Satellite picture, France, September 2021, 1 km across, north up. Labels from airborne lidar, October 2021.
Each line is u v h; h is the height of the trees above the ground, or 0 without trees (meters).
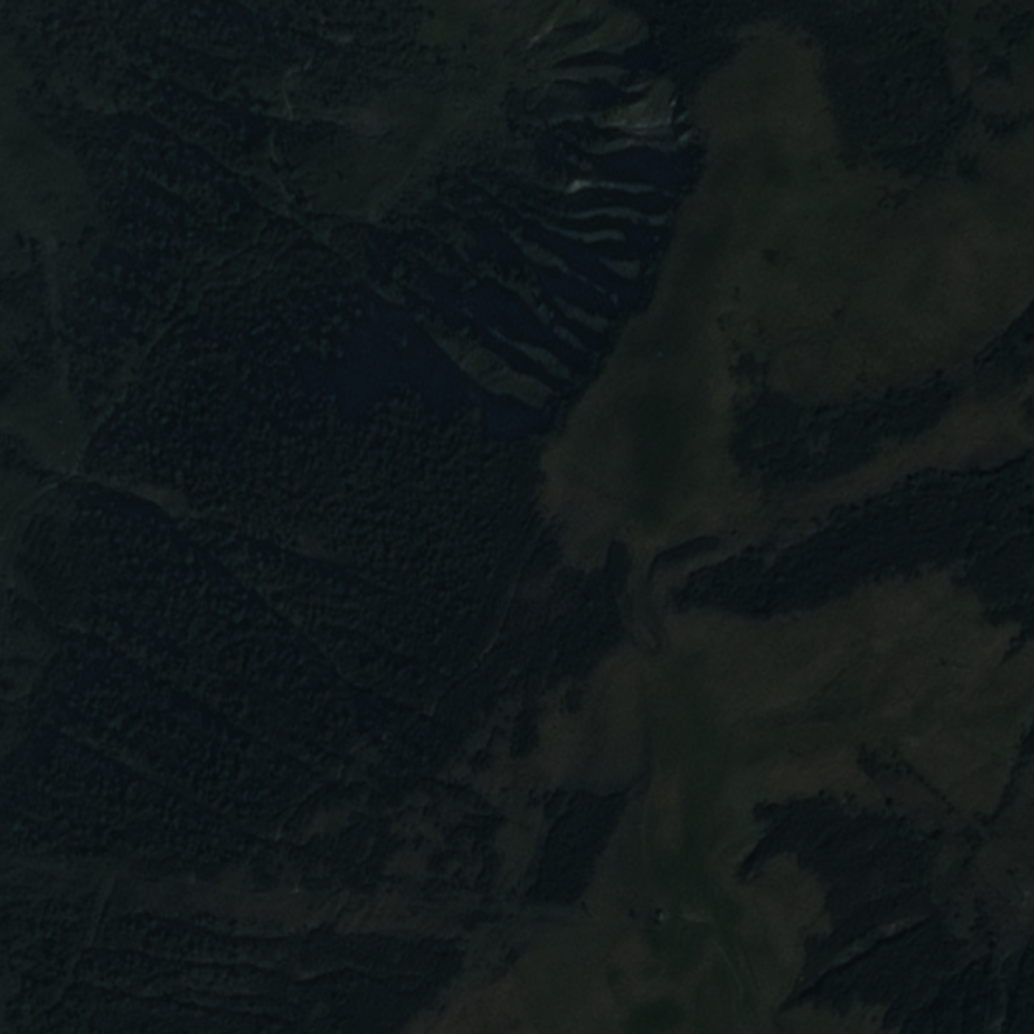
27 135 0
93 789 6
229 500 7
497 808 0
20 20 0
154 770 8
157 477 9
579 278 0
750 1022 0
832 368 0
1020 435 0
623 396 0
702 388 0
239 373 9
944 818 0
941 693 0
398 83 0
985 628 0
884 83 7
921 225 0
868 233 0
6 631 0
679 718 0
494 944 0
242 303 6
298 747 6
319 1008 0
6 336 0
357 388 0
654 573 0
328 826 0
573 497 0
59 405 0
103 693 7
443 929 0
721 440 0
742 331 0
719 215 0
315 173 0
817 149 0
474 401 0
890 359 0
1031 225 0
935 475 6
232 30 10
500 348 0
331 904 0
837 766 0
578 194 0
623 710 0
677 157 0
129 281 12
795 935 0
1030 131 0
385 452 6
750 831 0
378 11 6
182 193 7
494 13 0
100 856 6
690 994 0
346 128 0
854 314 0
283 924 0
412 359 0
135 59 10
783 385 0
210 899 0
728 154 0
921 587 0
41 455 0
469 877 0
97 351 6
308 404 6
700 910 0
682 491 0
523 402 0
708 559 0
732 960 0
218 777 6
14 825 8
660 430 0
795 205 0
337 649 6
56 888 0
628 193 0
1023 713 0
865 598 0
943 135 7
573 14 0
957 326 0
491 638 0
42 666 0
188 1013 6
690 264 0
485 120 0
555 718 0
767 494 0
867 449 5
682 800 0
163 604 6
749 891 0
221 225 9
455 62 0
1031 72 0
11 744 0
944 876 0
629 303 0
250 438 6
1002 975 0
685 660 0
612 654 0
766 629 0
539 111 0
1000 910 0
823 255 0
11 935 7
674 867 0
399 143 0
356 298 7
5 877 0
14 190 0
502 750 0
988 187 0
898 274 0
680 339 0
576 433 0
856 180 0
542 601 0
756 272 0
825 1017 0
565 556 0
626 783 0
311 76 0
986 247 0
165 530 7
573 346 0
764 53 0
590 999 0
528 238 0
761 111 0
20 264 0
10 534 0
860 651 0
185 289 7
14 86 0
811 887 0
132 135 10
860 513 8
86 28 6
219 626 5
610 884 0
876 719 0
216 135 5
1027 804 0
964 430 0
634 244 0
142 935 6
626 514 0
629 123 0
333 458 6
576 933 0
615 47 0
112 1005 5
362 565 6
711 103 0
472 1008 0
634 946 0
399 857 0
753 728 0
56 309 0
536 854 0
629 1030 0
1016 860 0
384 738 0
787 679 0
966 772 0
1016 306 0
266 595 6
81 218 0
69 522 0
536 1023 0
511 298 0
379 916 0
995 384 0
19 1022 7
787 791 0
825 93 0
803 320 0
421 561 5
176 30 9
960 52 0
